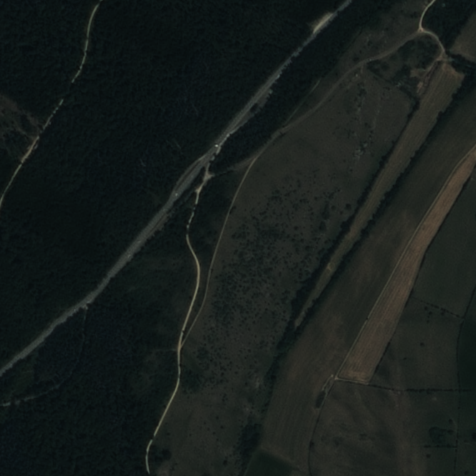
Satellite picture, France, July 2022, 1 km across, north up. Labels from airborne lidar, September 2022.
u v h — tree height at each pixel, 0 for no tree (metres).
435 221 0
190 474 0
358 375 0
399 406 0
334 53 13
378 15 7
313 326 0
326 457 0
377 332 0
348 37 13
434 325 0
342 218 0
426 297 0
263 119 13
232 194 0
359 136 0
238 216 0
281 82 16
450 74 0
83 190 16
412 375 0
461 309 0
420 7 0
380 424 0
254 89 11
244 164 0
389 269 0
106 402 20
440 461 0
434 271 0
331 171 0
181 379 10
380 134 0
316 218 0
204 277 0
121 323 22
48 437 18
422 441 0
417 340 0
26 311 13
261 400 0
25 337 10
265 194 0
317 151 0
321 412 0
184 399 0
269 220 0
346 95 0
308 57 17
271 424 0
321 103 0
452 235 0
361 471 0
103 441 17
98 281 13
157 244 14
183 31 17
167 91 17
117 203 16
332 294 0
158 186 18
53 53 16
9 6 28
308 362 0
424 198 0
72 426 18
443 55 0
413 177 0
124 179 16
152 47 11
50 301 12
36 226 13
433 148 0
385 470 0
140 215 16
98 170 14
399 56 0
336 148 0
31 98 14
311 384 0
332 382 0
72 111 12
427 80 0
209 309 0
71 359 19
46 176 18
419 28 0
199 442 0
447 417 0
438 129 5
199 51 19
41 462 17
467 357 0
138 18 8
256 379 0
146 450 17
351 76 0
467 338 0
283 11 14
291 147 0
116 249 13
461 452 0
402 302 0
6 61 19
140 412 12
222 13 17
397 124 0
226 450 0
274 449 0
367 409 0
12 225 15
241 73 16
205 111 16
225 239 0
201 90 19
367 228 7
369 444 0
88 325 21
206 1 14
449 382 0
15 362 0
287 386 0
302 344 0
